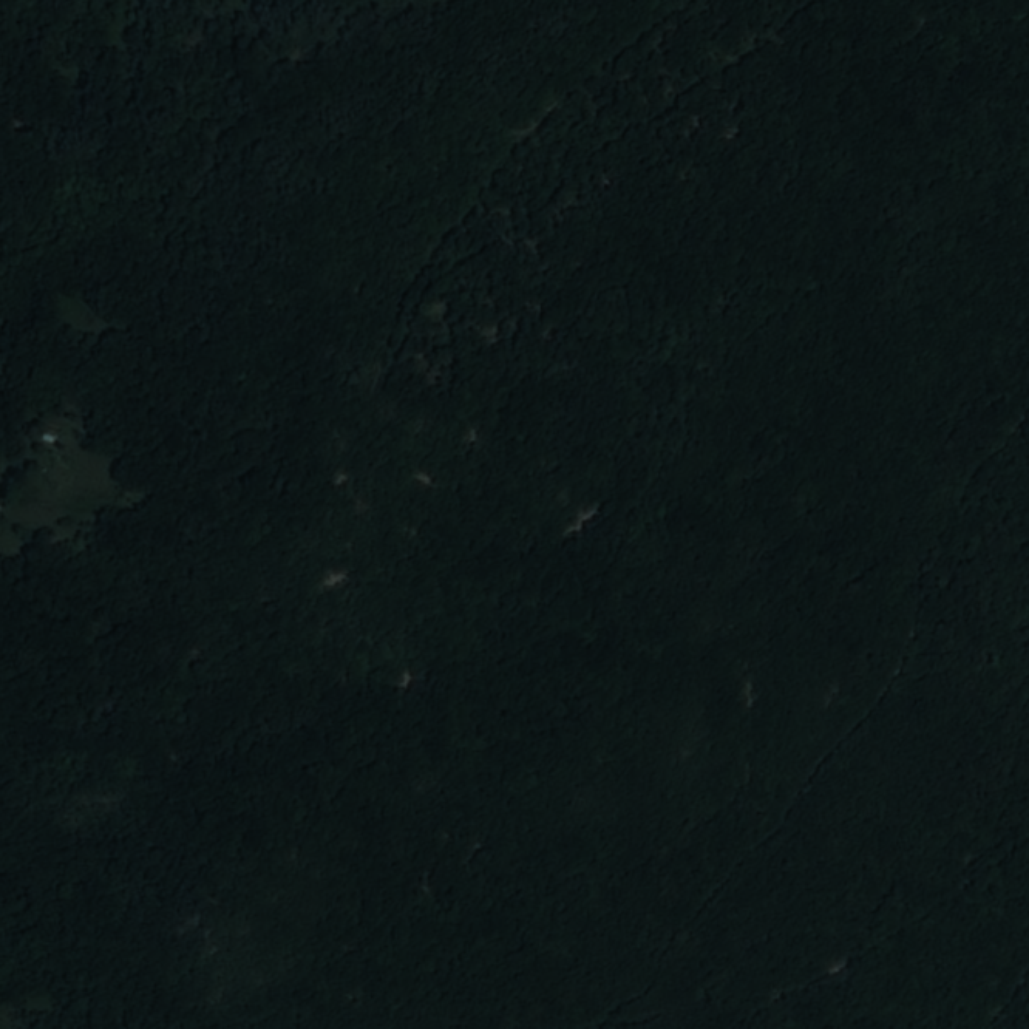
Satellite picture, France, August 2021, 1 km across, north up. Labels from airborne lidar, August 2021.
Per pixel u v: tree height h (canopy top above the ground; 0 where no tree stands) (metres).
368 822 21
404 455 16
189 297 19
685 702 15
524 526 19
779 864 25
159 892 19
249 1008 19
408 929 27
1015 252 28
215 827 24
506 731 26
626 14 24
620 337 18
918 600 24
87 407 19
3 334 17
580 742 21
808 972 22
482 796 23
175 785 26
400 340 18
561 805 18
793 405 22
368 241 20
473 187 20
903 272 22
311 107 16
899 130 26
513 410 21
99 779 18
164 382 23
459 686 28
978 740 24
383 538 16
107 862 21
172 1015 24
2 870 26
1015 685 29
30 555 20
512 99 20
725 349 15
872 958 21
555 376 20
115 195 13
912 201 20
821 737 15
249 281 15
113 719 24
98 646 9
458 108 21
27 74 19
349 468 15
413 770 20
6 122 22
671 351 21
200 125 11
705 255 22
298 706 20
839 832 27
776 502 32
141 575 16
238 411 20
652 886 26
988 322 21
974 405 22
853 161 20
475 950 24
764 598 18
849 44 8
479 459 15
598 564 28
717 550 21
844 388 25
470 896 18
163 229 15
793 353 22
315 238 17
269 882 14
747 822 19
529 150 17
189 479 18
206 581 21
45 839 26
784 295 25
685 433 25
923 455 21
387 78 22
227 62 17
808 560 24
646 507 20
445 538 23
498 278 25
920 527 23
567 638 29
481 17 20
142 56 13
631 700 21
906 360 25
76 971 27
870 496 26
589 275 27
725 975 23
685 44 18
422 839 21
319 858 16
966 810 27
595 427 17
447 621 23
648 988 16
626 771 19
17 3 13
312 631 17
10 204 21
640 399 21
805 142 20
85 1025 15
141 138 14
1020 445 20
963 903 24
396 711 30
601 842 20
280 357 16
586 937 22
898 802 19
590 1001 22
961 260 27
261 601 24
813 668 18
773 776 18
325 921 17
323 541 13
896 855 23
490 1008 23
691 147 23
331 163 18
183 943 14
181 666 26
